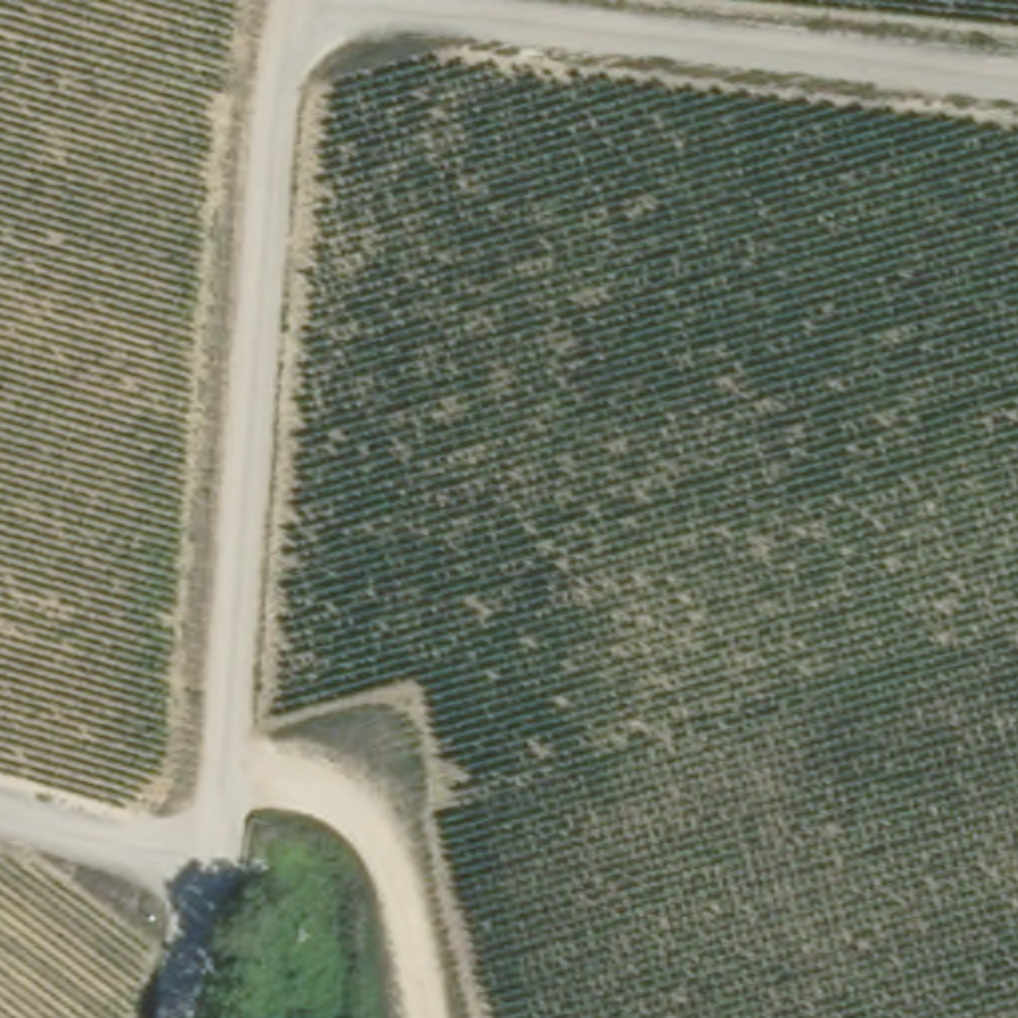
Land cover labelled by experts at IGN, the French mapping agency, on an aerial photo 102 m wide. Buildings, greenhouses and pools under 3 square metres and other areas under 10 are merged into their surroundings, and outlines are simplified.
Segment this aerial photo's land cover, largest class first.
<instances>
[{"label":"vineyard","instance_id":"1","mask_svg":"<svg viewBox=\"0 0 1018 1018\"><path fill-rule=\"evenodd\" d=\"M270 0H0V775L60 787L111 807L131 803L147 815H175L195 799L203 764L215 525L239 286L243 155ZM807 8L907 12L938 20H986L1018 28V0H764ZM330 84V99L318 143L322 187L314 207V262L306 266L310 294L294 394L302 425L294 429V513L286 521L282 541V553L294 557V569H286L282 577L278 628L286 644L278 652V696L270 704L274 716L390 684H418L425 692L441 760L465 767V779L453 783V803L437 811V831L453 875V899L473 942V970L489 1002V1018H1018V127L891 107H831L740 91L664 87L608 76H581L557 84L533 76L517 44L477 36L390 32L342 44L318 68ZM179 938L171 883L147 891L143 883L115 875L107 867H91L84 859L36 843L0 839V1018H139L143 986Z\"/></svg>","mask_w":1018,"mask_h":1018},{"label":"impervious surface","instance_id":"2","mask_svg":"<svg viewBox=\"0 0 1018 1018\"><path fill-rule=\"evenodd\" d=\"M390 32L477 36L517 44L529 68L545 48H565L585 56H668L684 64L803 72L875 87L1018 99V56H986L974 48L911 40H871L847 32L736 28L517 0H270L243 155L239 286L215 525L203 764L195 799L175 815H147L131 803L111 807L60 787L0 775V839L36 843L84 859L91 867H107L115 875L143 883L147 891L171 883L187 863L235 867L243 855L247 815L262 807L251 799L247 771L270 740L251 732V656L258 612V553L270 457L278 294L286 258L294 103L302 80L318 68L342 44Z\"/></svg>","mask_w":1018,"mask_h":1018},{"label":"pervious surface","instance_id":"3","mask_svg":"<svg viewBox=\"0 0 1018 1018\"><path fill-rule=\"evenodd\" d=\"M736 28L847 32L871 40H911L974 48L986 56H1018V28L986 20H938L907 12L807 8L764 0H517ZM330 99V84L318 68L302 80L294 103L286 258L278 294L270 457L258 553V612L251 656V732L270 740L274 716L270 704L278 696V652L286 644L278 628L282 577L286 569H294V557L282 553V541L286 521L294 513V429L302 425L294 394L310 294L306 266L314 262V207L322 187L318 143ZM251 799L262 807L314 815L330 823L362 855L382 903V927L394 962L402 1018H449L406 827L374 791L366 771L350 760L334 764L318 744L306 740H270L247 771ZM255 883V871L235 867L187 863L171 883L179 938L143 986L139 1018H195V1006L207 998L211 978L223 966H231V954L215 950V931L235 927L243 911V891Z\"/></svg>","mask_w":1018,"mask_h":1018},{"label":"herbaceous vegetation","instance_id":"4","mask_svg":"<svg viewBox=\"0 0 1018 1018\"><path fill-rule=\"evenodd\" d=\"M533 76L557 84L581 76H608L664 87L740 91L831 107H891L1018 127V99L875 87L803 72L684 64L668 56H585L565 48H545L529 68ZM270 740H306L318 744L334 764L350 760L366 771L374 791L406 827L449 1018H489V1002L473 970V942L453 899V875L437 831V811L453 803V783L465 779V767L441 760L425 692L418 684H390L274 716ZM282 843L310 847V891L318 903V927L326 942H334L342 970L358 982L354 1018H402L394 962L382 927V903L362 855L330 823L314 815L262 807L247 815L243 855L235 867L255 871H270Z\"/></svg>","mask_w":1018,"mask_h":1018},{"label":"deciduous trees","instance_id":"5","mask_svg":"<svg viewBox=\"0 0 1018 1018\"><path fill-rule=\"evenodd\" d=\"M310 847L282 843L270 871H255V883L243 891V911L235 927L215 931V950L231 954V966H223L211 978L207 998L195 1006V1018H354L358 982L342 970L334 942H326L318 927V903L310 891Z\"/></svg>","mask_w":1018,"mask_h":1018}]
</instances>
